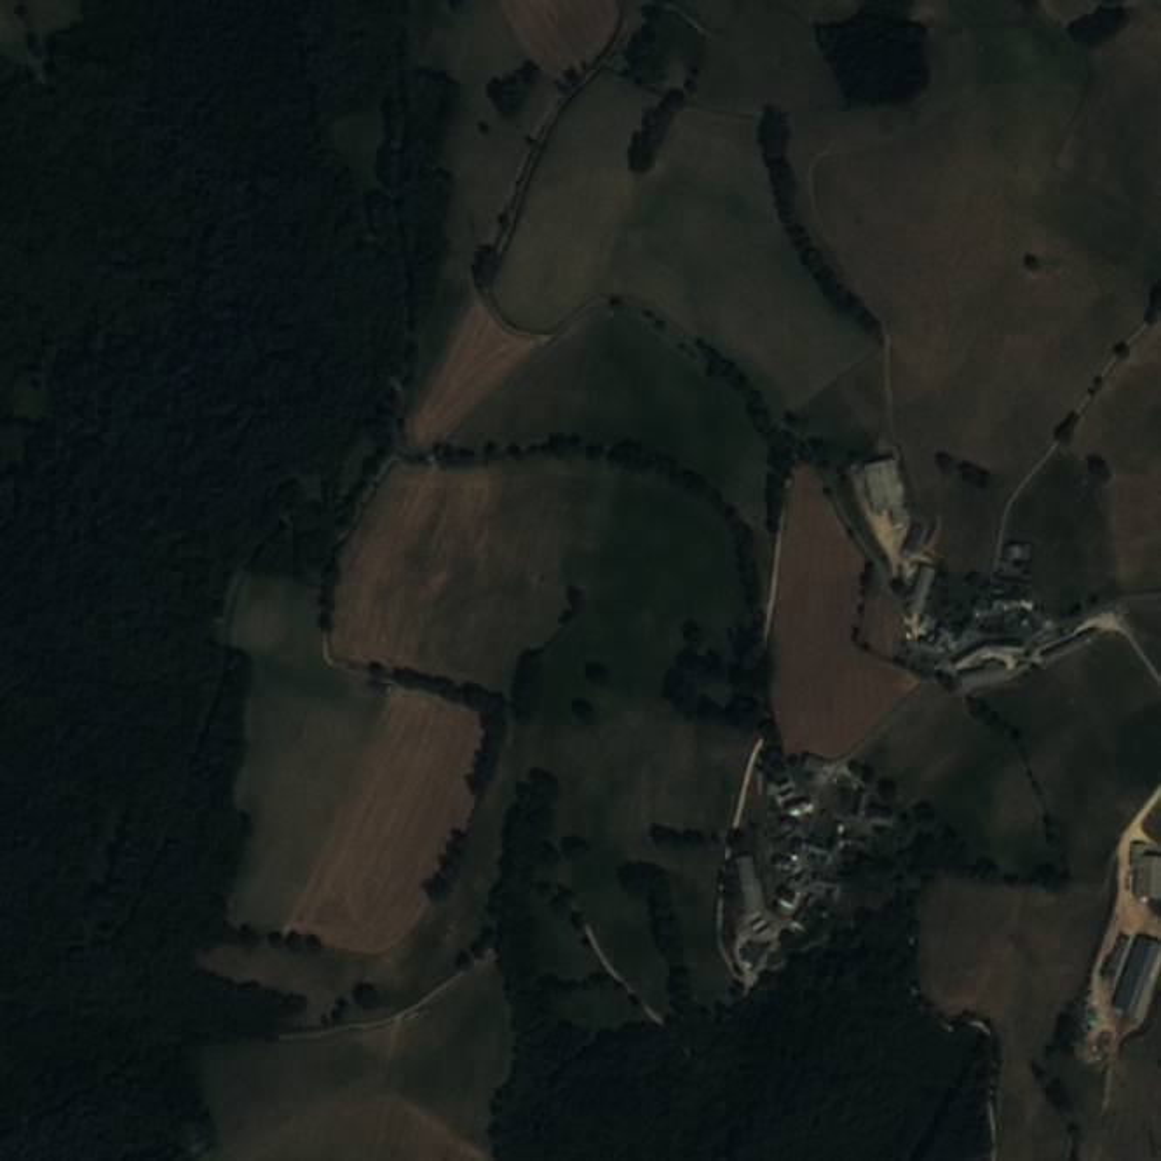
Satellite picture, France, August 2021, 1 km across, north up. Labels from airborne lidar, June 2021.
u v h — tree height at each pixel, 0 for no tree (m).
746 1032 19
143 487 20
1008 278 0
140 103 21
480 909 0
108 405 20
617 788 0
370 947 0
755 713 16
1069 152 0
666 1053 15
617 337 0
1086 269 0
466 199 0
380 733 0
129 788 23
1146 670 0
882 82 15
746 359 0
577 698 0
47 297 22
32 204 27
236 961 0
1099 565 0
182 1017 19
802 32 0
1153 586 0
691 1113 20
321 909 0
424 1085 0
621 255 0
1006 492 0
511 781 0
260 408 21
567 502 0
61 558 26
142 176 24
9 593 24
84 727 24
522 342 0
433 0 0
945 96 0
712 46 0
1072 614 7
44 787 25
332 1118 0
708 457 0
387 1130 0
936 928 0
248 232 23
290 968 0
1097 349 0
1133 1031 0
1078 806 0
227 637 0
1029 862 0
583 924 13
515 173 0
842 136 0
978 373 0
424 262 20
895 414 0
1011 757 0
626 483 0
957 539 0
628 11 0
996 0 0
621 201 0
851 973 31
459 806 0
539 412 0
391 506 0
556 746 0
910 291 0
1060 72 0
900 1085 15
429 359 0
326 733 0
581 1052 7
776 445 19
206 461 19
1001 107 0
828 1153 17
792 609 0
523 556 0
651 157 17
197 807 23
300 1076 0
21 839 25
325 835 0
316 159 15
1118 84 0
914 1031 18
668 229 0
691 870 0
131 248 22
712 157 0
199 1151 0
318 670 0
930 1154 23
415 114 14
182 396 14
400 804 0
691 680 17
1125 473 0
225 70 11
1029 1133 0
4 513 27
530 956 24
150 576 20
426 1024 0
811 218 0
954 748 0
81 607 20
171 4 13
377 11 23
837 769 0
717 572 0
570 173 0
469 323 0
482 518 0
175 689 27
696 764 0
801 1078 19
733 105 0
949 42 0
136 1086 23
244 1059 0
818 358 0
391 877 0
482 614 0
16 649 25
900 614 0
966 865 23
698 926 0
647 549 0
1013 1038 0
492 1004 0
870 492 0
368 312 17
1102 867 0
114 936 13
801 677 0
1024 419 0
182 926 16
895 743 0
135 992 21
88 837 20
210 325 10
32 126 19
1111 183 0
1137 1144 0
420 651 0
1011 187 0
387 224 18
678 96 13
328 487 12
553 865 19
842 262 0
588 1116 24
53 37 8
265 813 0
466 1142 0
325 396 21
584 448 12
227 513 19
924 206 0
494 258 12
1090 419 0
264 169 11
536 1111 21
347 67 19
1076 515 0
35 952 19
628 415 0
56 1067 20
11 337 23
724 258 0
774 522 11
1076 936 0
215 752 21
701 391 0
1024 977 0
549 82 0
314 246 20
